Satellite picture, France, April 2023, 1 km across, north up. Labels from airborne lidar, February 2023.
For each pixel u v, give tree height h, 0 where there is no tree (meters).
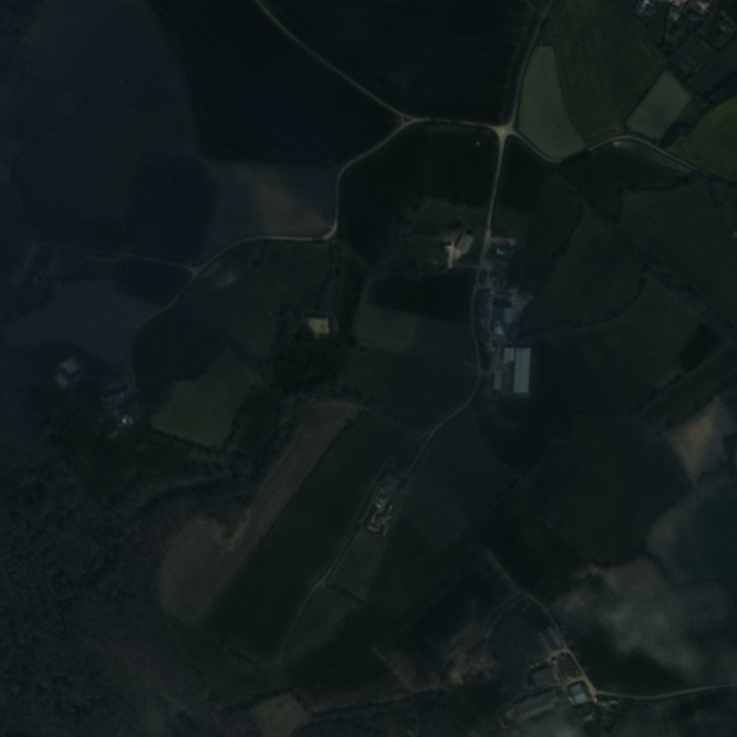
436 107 0
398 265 0
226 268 0
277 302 0
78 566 20
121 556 17
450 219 0
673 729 0
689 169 0
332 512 0
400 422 7
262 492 0
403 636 0
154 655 19
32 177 0
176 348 0
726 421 0
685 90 0
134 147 0
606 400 0
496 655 9
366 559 0
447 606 0
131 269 0
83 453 0
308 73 0
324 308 12
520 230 0
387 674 0
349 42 0
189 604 0
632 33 0
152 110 0
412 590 0
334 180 0
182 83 0
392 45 0
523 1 0
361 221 0
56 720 25
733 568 0
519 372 0
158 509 23
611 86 0
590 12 0
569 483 0
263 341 0
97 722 26
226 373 0
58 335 0
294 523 0
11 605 26
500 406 0
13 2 7
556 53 0
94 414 10
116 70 0
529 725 0
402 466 0
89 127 0
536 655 7
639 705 0
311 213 0
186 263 0
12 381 9
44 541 21
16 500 23
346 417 0
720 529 0
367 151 0
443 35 0
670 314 0
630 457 0
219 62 0
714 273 0
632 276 0
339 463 0
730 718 0
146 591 18
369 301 0
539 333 11
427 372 0
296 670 0
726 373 0
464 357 0
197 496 18
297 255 0
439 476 0
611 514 0
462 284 0
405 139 0
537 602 0
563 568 0
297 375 0
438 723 9
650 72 0
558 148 0
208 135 0
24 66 10
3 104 0
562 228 0
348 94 0
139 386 0
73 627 24
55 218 0
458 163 0
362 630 0
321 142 0
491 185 11
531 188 0
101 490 0
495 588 0
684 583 0
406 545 0
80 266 0
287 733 0
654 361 0
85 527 14
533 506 0
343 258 7
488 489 0
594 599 0
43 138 10
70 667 23
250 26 0
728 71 0
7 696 28
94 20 0
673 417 0
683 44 7
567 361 0
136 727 19
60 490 16
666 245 0
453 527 0
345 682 0
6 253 0
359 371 0
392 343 0
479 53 0
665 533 0
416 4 0
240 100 0
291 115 0
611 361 0
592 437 0
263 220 0
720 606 0
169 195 0
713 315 14
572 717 0
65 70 0
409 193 0
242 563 0
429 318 0
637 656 0
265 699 8
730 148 0
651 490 0
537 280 0
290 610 0
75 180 0
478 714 0
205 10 0
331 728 12
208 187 0
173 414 0
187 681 17
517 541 0
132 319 0
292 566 0
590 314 0
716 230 0
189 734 21
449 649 0
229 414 0
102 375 9
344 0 0
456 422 0
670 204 0
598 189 0
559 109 0
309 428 0
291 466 0
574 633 0
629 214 0
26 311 6
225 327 0
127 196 0
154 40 0
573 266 0
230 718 17
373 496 0
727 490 0
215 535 0
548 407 0
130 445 0
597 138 0
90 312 0
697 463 0
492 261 0
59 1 0
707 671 0
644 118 0
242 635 0
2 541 30
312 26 0
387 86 0
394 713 0
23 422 14
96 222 0
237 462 16
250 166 0
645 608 0
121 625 18
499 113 0
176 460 0
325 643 0
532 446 0
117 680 19
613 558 0
